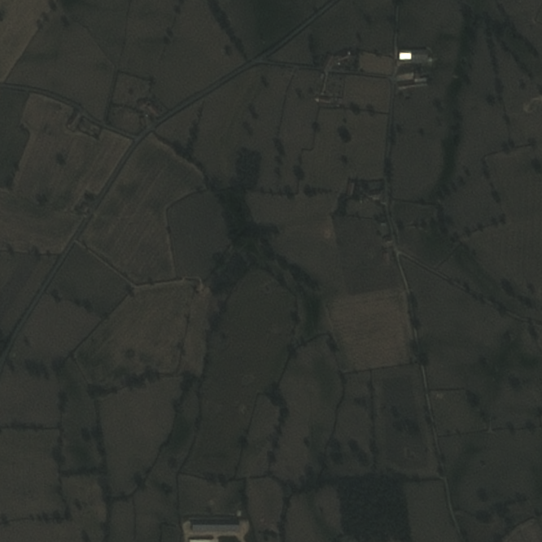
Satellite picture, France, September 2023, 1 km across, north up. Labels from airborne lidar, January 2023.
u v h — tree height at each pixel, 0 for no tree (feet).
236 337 0
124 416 0
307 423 0
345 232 0
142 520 0
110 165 0
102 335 0
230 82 0
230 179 0
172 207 0
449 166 0
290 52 0
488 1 0
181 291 0
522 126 0
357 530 24
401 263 0
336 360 30
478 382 0
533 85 0
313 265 0
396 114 0
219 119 0
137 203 0
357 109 44
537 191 0
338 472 0
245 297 0
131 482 0
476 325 0
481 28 0
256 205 0
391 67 0
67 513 31
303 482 61
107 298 0
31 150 0
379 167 0
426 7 0
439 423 0
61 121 0
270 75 0
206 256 0
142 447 0
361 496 49
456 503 0
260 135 0
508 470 0
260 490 0
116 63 0
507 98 0
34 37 0
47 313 0
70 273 0
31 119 0
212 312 0
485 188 0
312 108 0
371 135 0
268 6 0
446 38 0
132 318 0
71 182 0
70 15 0
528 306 47
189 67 0
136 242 0
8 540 0
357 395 0
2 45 0
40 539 0
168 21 0
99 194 0
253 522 0
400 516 42
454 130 25
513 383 56
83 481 0
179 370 0
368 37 0
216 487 0
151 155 0
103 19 0
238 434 0
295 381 0
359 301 0
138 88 0
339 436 0
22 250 0
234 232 46
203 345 0
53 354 0
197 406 0
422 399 0
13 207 0
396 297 0
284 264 50
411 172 0
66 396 37
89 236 0
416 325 42
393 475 0
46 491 0
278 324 0
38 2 0
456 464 0
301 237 0
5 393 0
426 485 0
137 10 0
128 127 0
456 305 0
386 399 0
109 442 0
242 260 51
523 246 0
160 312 0
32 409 0
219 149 0
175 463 44
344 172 0
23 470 0
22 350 0
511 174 0
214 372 0
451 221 36
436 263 0
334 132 0
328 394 0
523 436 0
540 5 0
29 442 0
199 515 0
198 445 0
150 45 0
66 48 0
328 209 0
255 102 0
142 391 0
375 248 0
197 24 0
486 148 0
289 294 0
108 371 0
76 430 0
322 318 0
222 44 0
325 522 0
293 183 0
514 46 0
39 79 0
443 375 0
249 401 0
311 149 0
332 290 0
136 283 0
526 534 0
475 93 0
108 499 55
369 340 0
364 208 0
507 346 0
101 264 0
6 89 0
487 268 0
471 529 0
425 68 0
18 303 0
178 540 0
